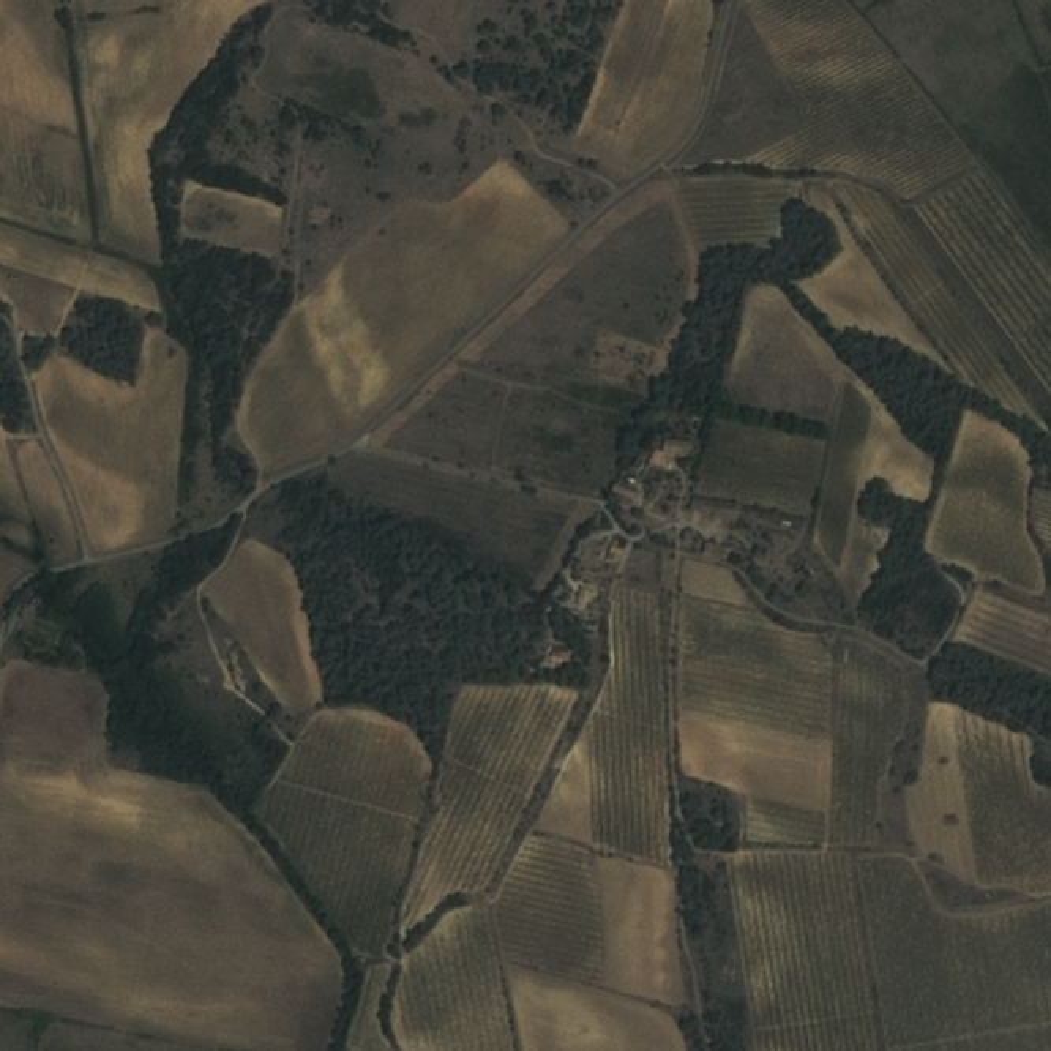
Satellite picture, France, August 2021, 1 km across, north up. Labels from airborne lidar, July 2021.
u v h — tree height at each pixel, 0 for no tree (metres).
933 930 0
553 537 0
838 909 0
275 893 0
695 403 6
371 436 0
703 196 0
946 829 0
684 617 0
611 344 0
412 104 0
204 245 7
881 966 0
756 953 0
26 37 0
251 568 0
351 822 0
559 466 0
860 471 0
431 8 0
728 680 0
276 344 0
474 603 16
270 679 0
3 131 0
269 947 0
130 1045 0
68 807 0
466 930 0
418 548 16
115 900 0
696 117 0
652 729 0
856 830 0
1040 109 0
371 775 0
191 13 0
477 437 0
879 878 0
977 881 0
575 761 0
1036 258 0
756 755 0
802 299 12
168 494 0
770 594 6
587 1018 0
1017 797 0
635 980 0
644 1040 0
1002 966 0
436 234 0
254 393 0
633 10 0
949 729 0
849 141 0
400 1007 0
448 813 0
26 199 0
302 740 0
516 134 0
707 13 0
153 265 0
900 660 0
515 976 0
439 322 0
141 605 7
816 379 0
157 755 7
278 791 0
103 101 0
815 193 0
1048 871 0
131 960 0
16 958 0
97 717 0
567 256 0
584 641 15
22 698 0
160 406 0
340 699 7
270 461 0
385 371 0
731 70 0
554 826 0
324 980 0
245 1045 0
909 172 0
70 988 0
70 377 0
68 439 0
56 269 0
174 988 0
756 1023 0
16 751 0
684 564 0
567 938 0
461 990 0
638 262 0
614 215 0
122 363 16
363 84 0
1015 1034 0
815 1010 0
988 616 0
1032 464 11
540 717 0
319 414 0
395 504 0
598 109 0
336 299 0
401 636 11
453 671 16
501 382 0
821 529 0
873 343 14
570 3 8
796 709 0
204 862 0
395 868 0
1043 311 0
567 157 0
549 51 5
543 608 6
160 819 0
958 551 0
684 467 8
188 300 7
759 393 0
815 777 0
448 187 0
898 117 0
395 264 0
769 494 0
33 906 0
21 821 0
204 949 0
